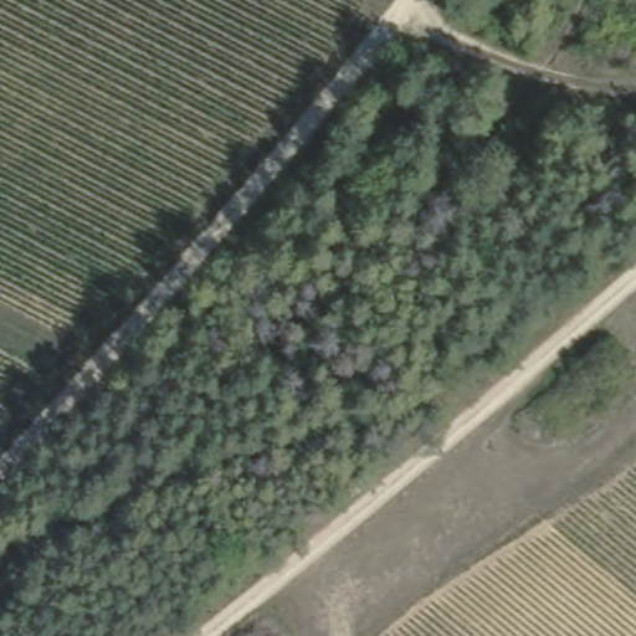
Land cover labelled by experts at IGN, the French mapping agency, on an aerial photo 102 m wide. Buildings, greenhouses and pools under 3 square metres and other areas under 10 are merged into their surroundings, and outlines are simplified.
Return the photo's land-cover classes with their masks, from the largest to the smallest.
<instances>
[{"label":"coniferous trees","instance_id":"1","mask_svg":"<svg viewBox=\"0 0 636 636\"><path fill-rule=\"evenodd\" d=\"M440 10V15L447 22L477 37L527 60H537L542 45L547 42V27L554 15L552 0H427ZM390 62H398L407 72V82H402L398 89V102L402 107L415 104L425 114V122L417 124L410 132V137L395 139V154L385 157L370 169L360 166L358 157L365 152V142L373 132L375 117L380 107L388 104L385 89L375 84L360 99V104H355L345 114V119L330 129L328 164L320 166L316 179L306 176L293 186V194L286 199L288 209L268 214L271 226L266 231L256 229L251 248L229 251L224 253V258H216L214 273H201L199 281L204 283V288L199 291V298L191 301V306L186 303L169 311L161 316L159 328H154L144 340L147 365L144 373L134 380V385H129L127 378H117L112 385L99 388L102 400L92 412L72 415L67 420L52 422L40 437H35L22 450L20 465L5 467L0 477V636H157V621H164L171 614V609L181 606L186 611L191 589L211 594L216 589L224 574L221 561L216 559L221 552H236L243 557L246 552H258L261 557L271 559L276 554L268 544L283 534V527H296V517L306 519L308 514H318V494H328L333 504H338L340 479L330 472V460H350V467H360V452H365L370 462L390 460L400 427H405L420 412L432 422L437 420L435 402L425 398V388L430 380L440 385L465 383V378L477 363H492L499 355V345L514 335L517 325L527 323L529 308L547 291H559V276L576 273L584 268V256L589 251H601L604 256H621V248L636 243V92L626 89L624 94H614L606 109H574L579 102L574 92L564 84L544 82L539 72L517 75L494 67L479 50L472 47L460 45L455 37L435 27H427L425 35L405 32L400 42L390 47Z\"/></svg>","mask_w":636,"mask_h":636},{"label":"vineyard","instance_id":"2","mask_svg":"<svg viewBox=\"0 0 636 636\"><path fill-rule=\"evenodd\" d=\"M393 0H0V455L7 452L12 440L32 425L42 407L62 402L67 398L65 388L75 378V373L97 350H102L109 335L119 330L124 320H129L139 303H144L147 293L159 281H164V276L171 273V268L181 261V253L191 246L194 236L214 226L224 204H229L236 196L243 181L256 171V166H261L271 157V152L286 144L288 132L296 127L301 114L320 97L328 80H333L340 67L350 62L358 45L368 37V20H383ZM378 636H636V457L624 462L621 470L601 487L557 509L549 519H544L519 539L479 559L467 571L452 576L445 586L412 604Z\"/></svg>","mask_w":636,"mask_h":636},{"label":"herbaceous vegetation","instance_id":"3","mask_svg":"<svg viewBox=\"0 0 636 636\"><path fill-rule=\"evenodd\" d=\"M472 47L479 50L494 67L517 75L539 72L544 82L564 84L574 92L579 102L574 109H606L614 94H624L626 89L636 92V57L631 62L614 55L584 60L574 47L561 50V37L557 42H547L542 45L537 60H527L477 37ZM402 82H407V72L398 62H390L375 60L370 67L363 70L358 80H353L345 87V92L333 102V107L311 132V137L301 142V147L276 174V179L266 184V189L248 204V211L231 226V231L224 239H216L211 243V248L206 251L204 261L194 268L189 281H184L181 288L164 301L169 311L186 303L191 306V301L199 298V291L204 288V283L199 281L201 273H214L216 258H224V253L229 251L251 248L256 229L266 231L271 226L268 214L288 209L286 199L293 194V186L306 176L316 179L320 166L328 164L330 129L345 119V114L355 104H360V99L375 84L385 89L388 104L380 107L375 117L373 132L365 142V152L358 157L360 166L370 169L385 157L395 154V139L410 137V132L417 124L425 122V114L415 104L402 107L398 102V89ZM636 266V243L621 248V256H604L601 251H589L584 256V268L576 273L559 276V291H547L529 308L527 323L517 325L514 335L499 345V355L492 363H477L465 378V383L440 385L430 380L425 388V398L435 402L437 420L432 422L420 412L405 427H400L390 460L370 462L365 452H360V467H350V460H330V472L340 479L338 504H333L328 494H318V514H308L306 519L296 517V527H283V534L268 544L276 554L271 559L261 557L258 552H246L243 557L236 552H221L216 559L221 561L224 574L216 589L211 594L191 589L186 611L181 606L171 609V614L164 621H157V636H194L201 629V624L214 619L234 599L248 591L258 579L278 571L291 554H306L313 534L325 529L355 499L373 492L405 460L415 457L422 447H437L445 440L452 420L462 410L472 407L499 378L517 370L534 348H539L549 335H554L569 318H574L586 303H591L604 288H609L624 271ZM609 330L624 348L636 353V291L629 293L614 311H609L599 325ZM144 340H139L134 350H119V358L102 370L99 380L84 388L82 398L70 410L72 415L92 412L102 400L99 388L112 385L117 378H127L129 385H134V380L144 373L147 365ZM512 410L504 405L497 412H492L482 425H477L470 435H465L440 462L417 475L378 512H373L350 534L333 544L316 564L293 576L281 591H276L261 606L248 611L224 636H378L412 604L445 586L452 576L467 571L479 559L519 539L544 519H549L557 509L601 487L621 470L624 462L636 457V393L624 417L609 420L601 412H596L591 415L589 425L576 430V437L557 440L539 427L512 435Z\"/></svg>","mask_w":636,"mask_h":636},{"label":"pervious surface","instance_id":"4","mask_svg":"<svg viewBox=\"0 0 636 636\"><path fill-rule=\"evenodd\" d=\"M368 37L358 45L350 62L340 67L333 80H328L320 97L301 114L296 127L288 132L286 144L271 152V157L261 166H256V171L243 181L236 196L229 204H224L214 226L194 236L191 246L181 253V261L171 268V273L164 276V281H159L147 293L144 303H139L129 320H124L119 330L109 335L102 350H97L75 373V378L65 388L67 398L62 402L42 407L32 425L12 440L7 452L0 455V477L5 467L20 465L22 450L35 437H40L52 422L67 420L72 415L70 410L82 398L84 388L99 380L102 370L119 358V350H134L139 340H144L154 328H159L161 316L169 311L164 301L181 288L184 281H189L194 268L204 261L206 251L211 248V243L216 239H224L231 231V226L248 211V204L266 189V184L276 179V174L301 147V142L311 137V132L333 107V102L345 92V87L353 80H358L363 70L370 67L375 60L390 62V47L400 42L405 32L425 35L427 27H435L455 37L460 45L472 47L477 37L447 22L440 15V10L427 0H393L383 20H368ZM636 291V266L624 271L609 288H604L591 303H586L574 318H569L554 335H549L539 348H534L517 370L499 378L472 407L462 410L452 420L445 440L437 447H422L415 457L405 460L373 492L355 499L325 529L313 534L306 554H291L278 571L258 579L248 591L234 599L214 619L201 624V629L194 636H224L248 611L261 606L276 591H281L293 576L316 564L333 544L350 534L373 512H378L417 475L440 462L465 435H470L477 425H482L492 412H497L514 395L524 393L559 358L564 348H569L576 338L599 325L609 311H614L629 293Z\"/></svg>","mask_w":636,"mask_h":636},{"label":"brushwood","instance_id":"5","mask_svg":"<svg viewBox=\"0 0 636 636\"><path fill-rule=\"evenodd\" d=\"M554 15L547 27V42H557L561 37V50L574 47L584 60L614 55L631 62L636 57V0H552ZM636 393V353L624 348L609 330L599 325L576 338L569 348H564L559 358L524 393L514 395L504 405L512 410V435L539 427L557 440L576 437V430L589 425L591 415L596 412H601L609 420L624 417Z\"/></svg>","mask_w":636,"mask_h":636}]
</instances>
